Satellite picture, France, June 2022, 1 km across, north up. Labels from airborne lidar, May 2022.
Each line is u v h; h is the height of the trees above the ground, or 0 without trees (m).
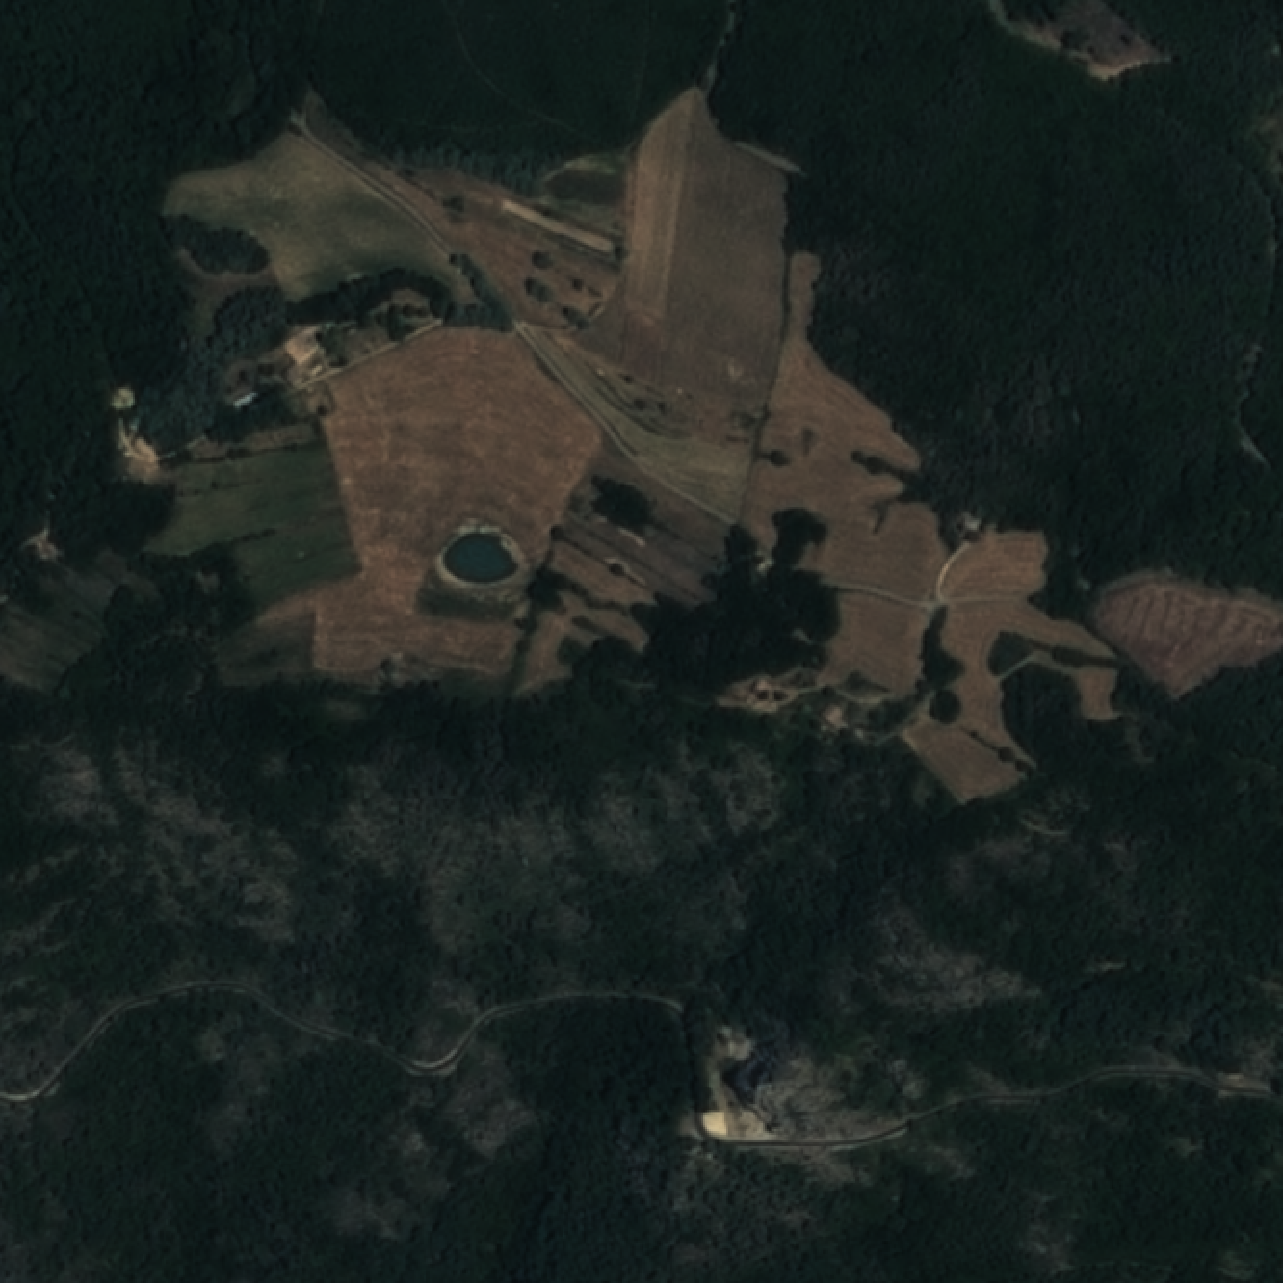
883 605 0
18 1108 11
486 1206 13
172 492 9
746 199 0
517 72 6
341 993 9
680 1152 9
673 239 0
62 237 10
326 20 6
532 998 9
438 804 9
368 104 8
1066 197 20
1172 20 20
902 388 9
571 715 7
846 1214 16
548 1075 11
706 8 7
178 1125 17
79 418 12
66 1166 6
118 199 8
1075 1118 8
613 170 0
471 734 18
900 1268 22
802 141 13
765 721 8
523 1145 12
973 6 21
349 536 0
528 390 0
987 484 12
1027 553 0
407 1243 10
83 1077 11
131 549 10
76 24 24
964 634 0
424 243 0
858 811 10
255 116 13
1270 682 18
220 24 14
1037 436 8
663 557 0
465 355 0
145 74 20
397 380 0
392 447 0
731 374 0
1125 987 22
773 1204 19
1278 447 28
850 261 9
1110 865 11
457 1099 6
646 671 14
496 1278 12
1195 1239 6
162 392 11
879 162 17
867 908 8
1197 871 17
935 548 0
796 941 16
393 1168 10
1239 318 19
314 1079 15
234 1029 7
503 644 0
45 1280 9
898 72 22
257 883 6
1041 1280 12
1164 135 18
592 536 0
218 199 0
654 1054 25
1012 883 7
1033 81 14
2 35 17
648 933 11
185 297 14
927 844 16
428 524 0
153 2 19
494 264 0
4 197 10
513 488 0
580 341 0
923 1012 7
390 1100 10
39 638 0
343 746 11
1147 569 23
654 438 0
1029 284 18
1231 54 20
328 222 0
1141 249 18
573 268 0
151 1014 12
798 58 22
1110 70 0
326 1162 7
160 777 7
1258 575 18
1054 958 19
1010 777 0
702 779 8
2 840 14
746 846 9
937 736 0
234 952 9
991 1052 14
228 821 9
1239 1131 10
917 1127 10
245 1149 7
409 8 7
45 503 8
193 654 16
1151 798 13
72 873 11
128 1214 17
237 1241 12
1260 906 14
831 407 0
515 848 7
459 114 7
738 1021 6
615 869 8
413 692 9
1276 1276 14
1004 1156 11
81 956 15
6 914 11
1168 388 22
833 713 0
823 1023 7
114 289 11
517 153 6
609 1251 24
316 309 11
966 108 19
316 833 8
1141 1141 21
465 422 0
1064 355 15
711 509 0
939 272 12
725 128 12
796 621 12
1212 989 16
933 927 14
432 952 8
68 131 12
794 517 14
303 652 0
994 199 16
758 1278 12
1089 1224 6
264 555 0
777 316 0
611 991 15
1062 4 19
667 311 0
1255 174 12
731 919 8
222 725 14
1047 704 16
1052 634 0
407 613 0
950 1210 16
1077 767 12
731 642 17
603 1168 11
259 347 14
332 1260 11
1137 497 23
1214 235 21
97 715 8
